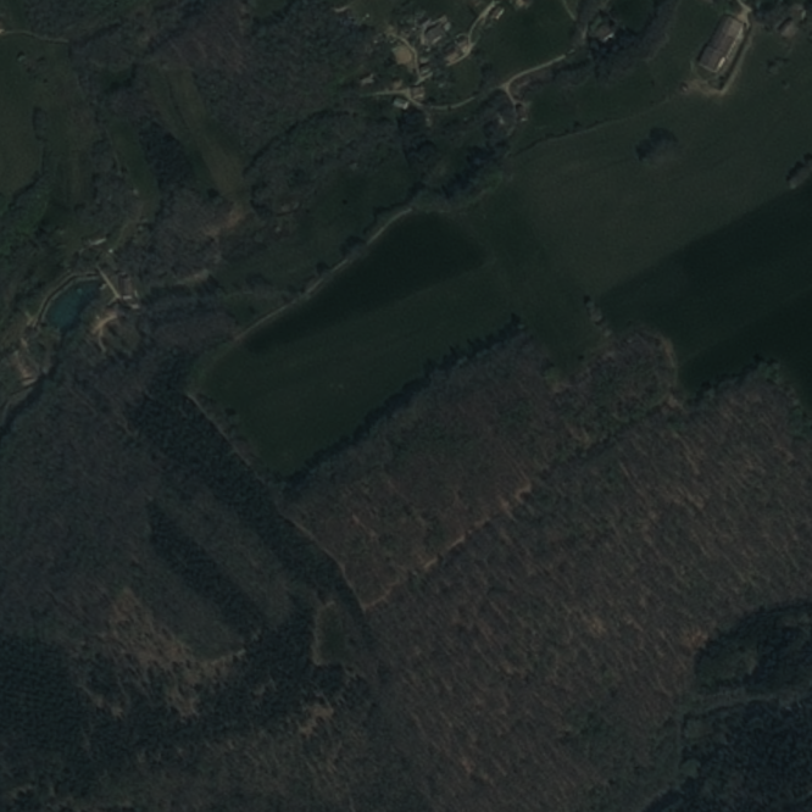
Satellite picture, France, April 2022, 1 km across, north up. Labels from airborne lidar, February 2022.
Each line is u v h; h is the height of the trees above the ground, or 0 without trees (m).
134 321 29
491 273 0
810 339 0
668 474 29
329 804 17
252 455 18
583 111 0
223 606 20
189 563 20
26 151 0
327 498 27
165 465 21
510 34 0
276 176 23
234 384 0
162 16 17
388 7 0
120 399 28
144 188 0
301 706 14
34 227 22
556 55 0
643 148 0
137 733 21
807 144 0
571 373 0
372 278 0
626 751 28
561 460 8
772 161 0
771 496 26
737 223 0
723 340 0
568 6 0
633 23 0
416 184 0
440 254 0
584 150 0
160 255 20
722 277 0
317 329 0
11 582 27
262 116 26
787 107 0
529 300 0
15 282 23
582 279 0
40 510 23
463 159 0
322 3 16
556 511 29
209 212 22
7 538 24
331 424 0
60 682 22
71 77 0
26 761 23
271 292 26
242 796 18
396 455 24
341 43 32
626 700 29
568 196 0
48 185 25
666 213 0
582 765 27
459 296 0
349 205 9
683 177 0
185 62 26
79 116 0
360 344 0
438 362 0
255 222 0
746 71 0
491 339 0
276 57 27
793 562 28
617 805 23
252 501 24
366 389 0
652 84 0
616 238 0
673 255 0
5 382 25
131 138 0
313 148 24
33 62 0
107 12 9
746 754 23
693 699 28
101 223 20
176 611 24
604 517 28
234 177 0
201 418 22
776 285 0
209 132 0
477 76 0
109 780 22
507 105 20
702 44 0
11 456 18
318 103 26
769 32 8
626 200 0
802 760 24
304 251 0
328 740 17
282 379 0
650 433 29
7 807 23
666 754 22
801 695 24
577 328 0
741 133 0
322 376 0
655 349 22
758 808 22
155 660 0
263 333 0
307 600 25
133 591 22
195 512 24
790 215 0
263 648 17
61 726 18
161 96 0
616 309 0
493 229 0
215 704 19
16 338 0
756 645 17
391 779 18
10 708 19
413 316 0
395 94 0
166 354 25
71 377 22
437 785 22
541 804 28
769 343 0
